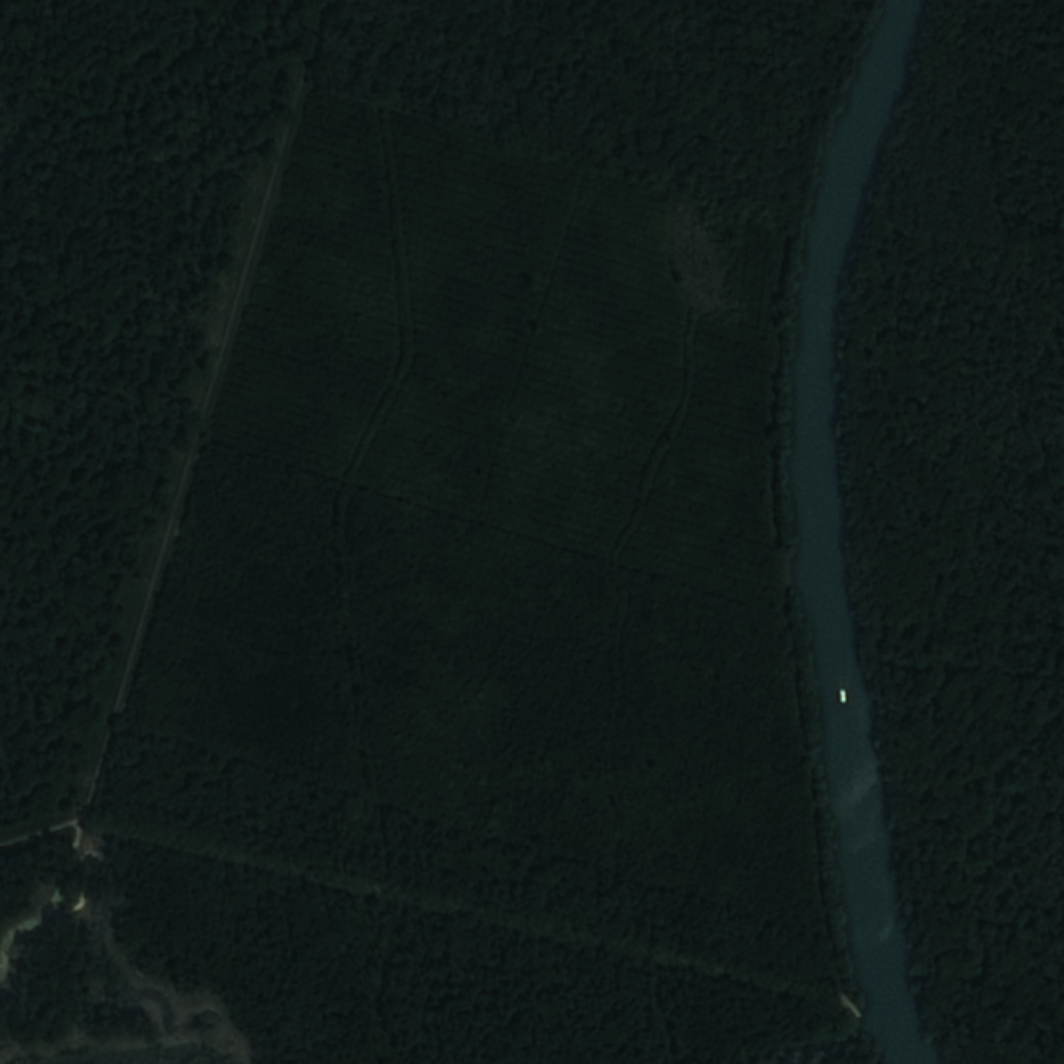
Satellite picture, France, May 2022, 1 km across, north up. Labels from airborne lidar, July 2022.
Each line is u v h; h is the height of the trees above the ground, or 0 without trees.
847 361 21
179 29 18
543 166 7
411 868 16
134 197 22
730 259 7
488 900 17
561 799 13
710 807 10
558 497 8
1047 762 19
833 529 0
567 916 13
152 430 21
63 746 20
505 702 7
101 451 9
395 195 6
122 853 23
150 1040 32
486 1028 17
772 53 25
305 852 21
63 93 14
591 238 8
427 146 8
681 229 0
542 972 21
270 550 9
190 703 14
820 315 0
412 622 9
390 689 10
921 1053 0
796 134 19
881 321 22
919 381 27
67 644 21
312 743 11
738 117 25
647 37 22
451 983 12
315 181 5
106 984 24
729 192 22
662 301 7
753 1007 19
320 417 8
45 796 22
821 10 22
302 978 20
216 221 21
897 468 27
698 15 18
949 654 25
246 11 21
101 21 18
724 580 6
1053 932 17
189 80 14
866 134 0
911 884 20
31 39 17
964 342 24
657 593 12
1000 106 27
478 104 23
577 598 13
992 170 33
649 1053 19
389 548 7
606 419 6
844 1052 20
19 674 8
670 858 12
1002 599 29
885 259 26
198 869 18
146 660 11
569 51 22
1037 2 19
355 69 14
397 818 17
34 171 21
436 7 25
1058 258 27
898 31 0
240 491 13
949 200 20
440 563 10
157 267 21
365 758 15
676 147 26
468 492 6
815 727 15
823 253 0
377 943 11
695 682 10
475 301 6
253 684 13
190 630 12
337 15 23
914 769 21
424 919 19
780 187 20
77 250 20
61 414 18
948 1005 18
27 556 19
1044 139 23
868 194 15
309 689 15
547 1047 21
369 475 7
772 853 12
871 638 23
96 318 17
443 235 6
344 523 7
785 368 13
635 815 6
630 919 18
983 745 25
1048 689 20
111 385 23
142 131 21
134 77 20
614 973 16
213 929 17
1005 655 19
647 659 10
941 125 30
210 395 0
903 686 22
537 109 23
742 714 10
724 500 7
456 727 7
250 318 6
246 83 21
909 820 19
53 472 25
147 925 17
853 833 0
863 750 0
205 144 17
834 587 0
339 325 7
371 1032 22
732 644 12
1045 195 27
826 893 16
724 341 6
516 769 9
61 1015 26
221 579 12
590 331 7
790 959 17
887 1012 0
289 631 12
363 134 6
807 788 6
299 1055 18
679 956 16
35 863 21
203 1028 15
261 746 14
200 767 20
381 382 6
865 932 0
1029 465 29
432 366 7
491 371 6
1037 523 23
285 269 6
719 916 17
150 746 20
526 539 8
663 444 10
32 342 26
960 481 26
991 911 22
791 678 7
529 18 23
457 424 6
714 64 23
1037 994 20
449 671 6
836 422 13
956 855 25
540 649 12
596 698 13
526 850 15
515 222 7
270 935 18
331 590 17
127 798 20
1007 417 28
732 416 6
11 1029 26
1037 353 30
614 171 10
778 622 10
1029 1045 25
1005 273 29
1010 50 23
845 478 16
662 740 11
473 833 6
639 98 23
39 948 26
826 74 21
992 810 6
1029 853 19
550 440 6
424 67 12
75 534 25
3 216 23
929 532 22
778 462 18
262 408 7
